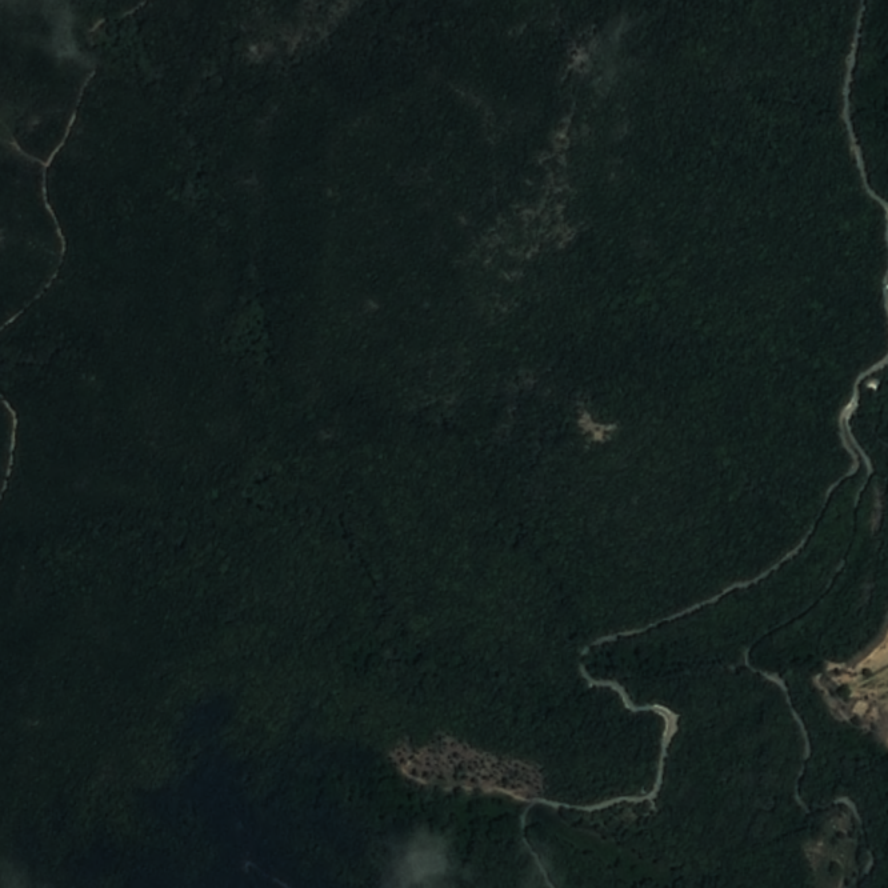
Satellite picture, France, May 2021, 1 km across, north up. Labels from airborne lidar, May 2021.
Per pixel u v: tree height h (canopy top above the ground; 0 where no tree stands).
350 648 16
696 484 11
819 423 12
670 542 10
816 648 10
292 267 6
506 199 7
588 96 8
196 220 10
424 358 8
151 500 6
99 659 6
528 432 12
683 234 11
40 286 8
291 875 10
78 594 6
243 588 11
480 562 10
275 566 11
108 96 9
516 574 16
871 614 7
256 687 11
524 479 8
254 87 8
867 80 22
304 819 18
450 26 12
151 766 11
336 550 20
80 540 12
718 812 12
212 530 16
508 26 10
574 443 5
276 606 9
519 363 7
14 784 7
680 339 11
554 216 7
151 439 7
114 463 10
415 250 6
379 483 10
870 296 9
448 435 16
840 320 8
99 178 7
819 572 8
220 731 13
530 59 11
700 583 10
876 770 17
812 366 7
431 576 9
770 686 13
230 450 6
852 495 13
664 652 12
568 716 17
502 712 16
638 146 12
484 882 18
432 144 7
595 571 11
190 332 7
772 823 16
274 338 15
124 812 21
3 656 8
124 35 19
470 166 6
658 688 15
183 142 12
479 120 7
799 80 8
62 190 7
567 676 10
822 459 12
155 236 7
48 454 6
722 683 10
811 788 21
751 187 8
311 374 6
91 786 11
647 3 13
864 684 0
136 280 8
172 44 9
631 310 11
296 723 12
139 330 7
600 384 10
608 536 10
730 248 10
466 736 11
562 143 7
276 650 12
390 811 22
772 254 9
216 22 13
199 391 7
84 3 7
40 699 6
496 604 7
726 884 19
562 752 11
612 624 11
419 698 14
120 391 5
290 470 13
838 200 10
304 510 19
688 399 10
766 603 10
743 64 10
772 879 12
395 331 8
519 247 10
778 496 11
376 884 14
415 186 5
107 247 8
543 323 9
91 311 6
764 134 16
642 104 11
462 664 14
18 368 17
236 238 13
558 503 10
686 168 13
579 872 17
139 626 7
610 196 5
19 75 7
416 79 8
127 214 12
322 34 8
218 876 8
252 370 15
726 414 11
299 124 7
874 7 10
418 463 14
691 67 8
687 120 13
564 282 9
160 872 8
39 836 6
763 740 7
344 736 13
